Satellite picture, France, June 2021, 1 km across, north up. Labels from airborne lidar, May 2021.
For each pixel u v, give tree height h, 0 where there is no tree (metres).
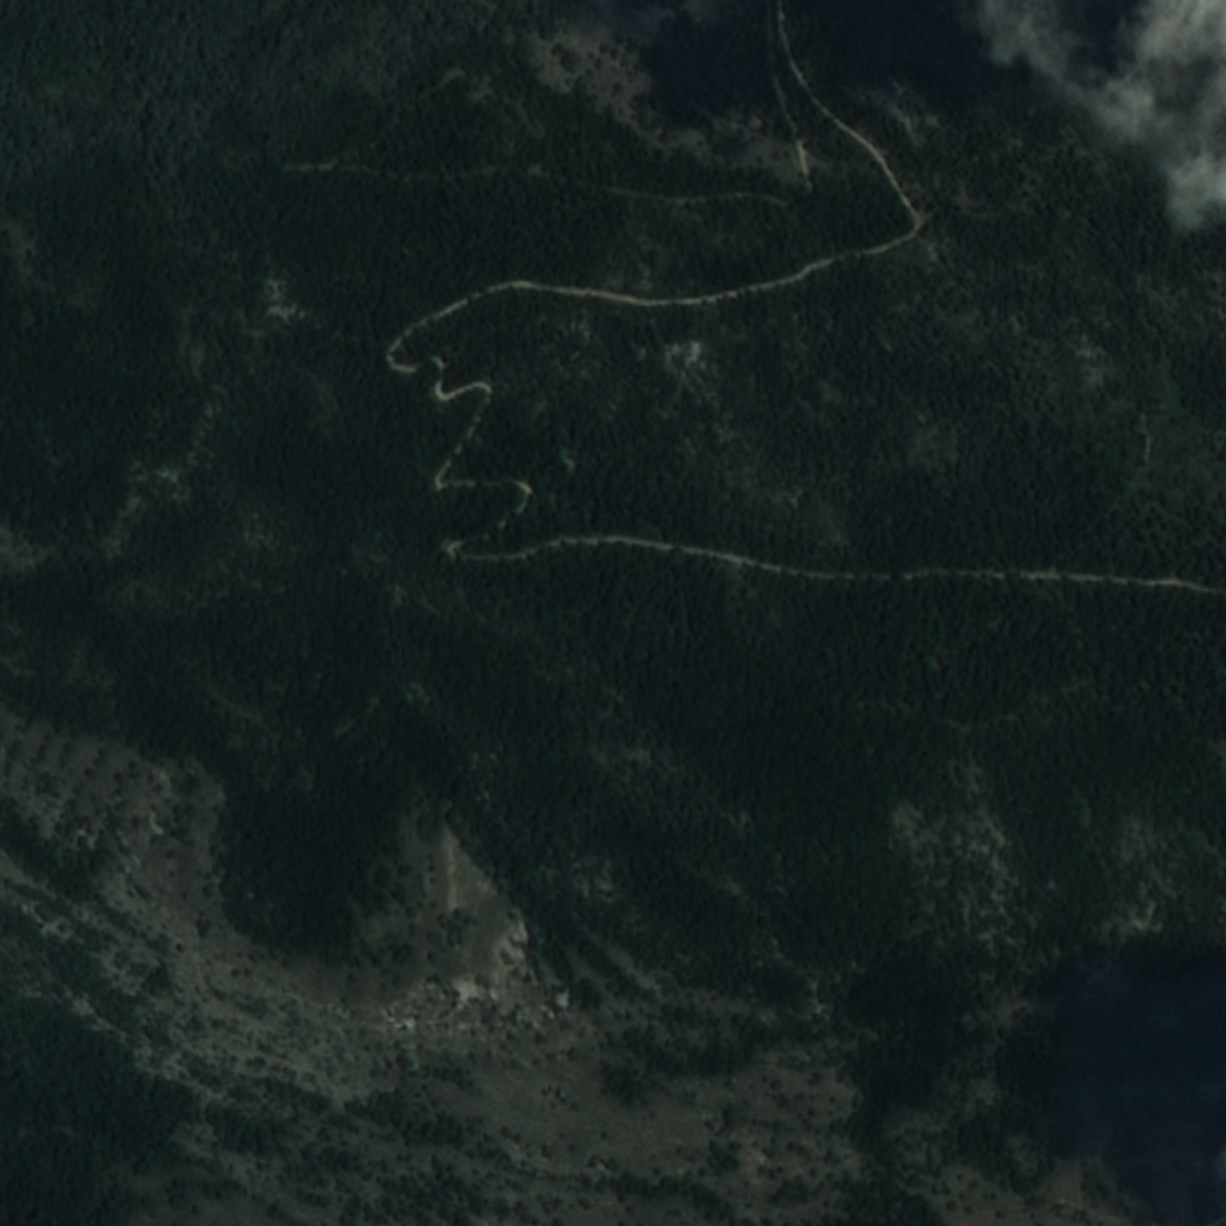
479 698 7
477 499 14
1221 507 12
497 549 10
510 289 9
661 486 8
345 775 8
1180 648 8
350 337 9
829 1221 9
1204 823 12
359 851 10
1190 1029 9
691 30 10
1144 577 8
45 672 6
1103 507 12
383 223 9
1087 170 8
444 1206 6
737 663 8
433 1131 6
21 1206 11
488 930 0
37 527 9
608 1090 7
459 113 10
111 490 9
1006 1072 13
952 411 9
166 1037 6
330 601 9
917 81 11
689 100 5
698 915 8
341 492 9
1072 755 10
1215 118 9
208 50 14
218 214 10
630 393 6
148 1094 9
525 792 9
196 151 7
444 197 14
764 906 6
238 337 8
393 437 8
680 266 6
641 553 10
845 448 7
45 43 10
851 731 15
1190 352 8
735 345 7
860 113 8
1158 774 11
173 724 11
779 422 6
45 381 11
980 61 8
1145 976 10
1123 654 13
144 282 12
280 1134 6
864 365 10
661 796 7
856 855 8
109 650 6
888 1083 10
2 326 11
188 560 7
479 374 6
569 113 13
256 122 9
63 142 15
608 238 9
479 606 8
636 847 9
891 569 12
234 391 8
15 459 12
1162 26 11
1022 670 9
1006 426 7
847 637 12
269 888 10
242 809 9
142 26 13
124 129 15
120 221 11
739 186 7
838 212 12
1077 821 9
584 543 10
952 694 13
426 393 6
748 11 7
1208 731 10
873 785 12
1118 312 8
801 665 10
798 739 14
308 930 10
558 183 16
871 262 11
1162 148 7
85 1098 14
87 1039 9
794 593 8
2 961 6
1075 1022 9
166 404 7
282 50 10
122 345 7
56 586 11
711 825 8
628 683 10
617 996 7
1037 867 7
